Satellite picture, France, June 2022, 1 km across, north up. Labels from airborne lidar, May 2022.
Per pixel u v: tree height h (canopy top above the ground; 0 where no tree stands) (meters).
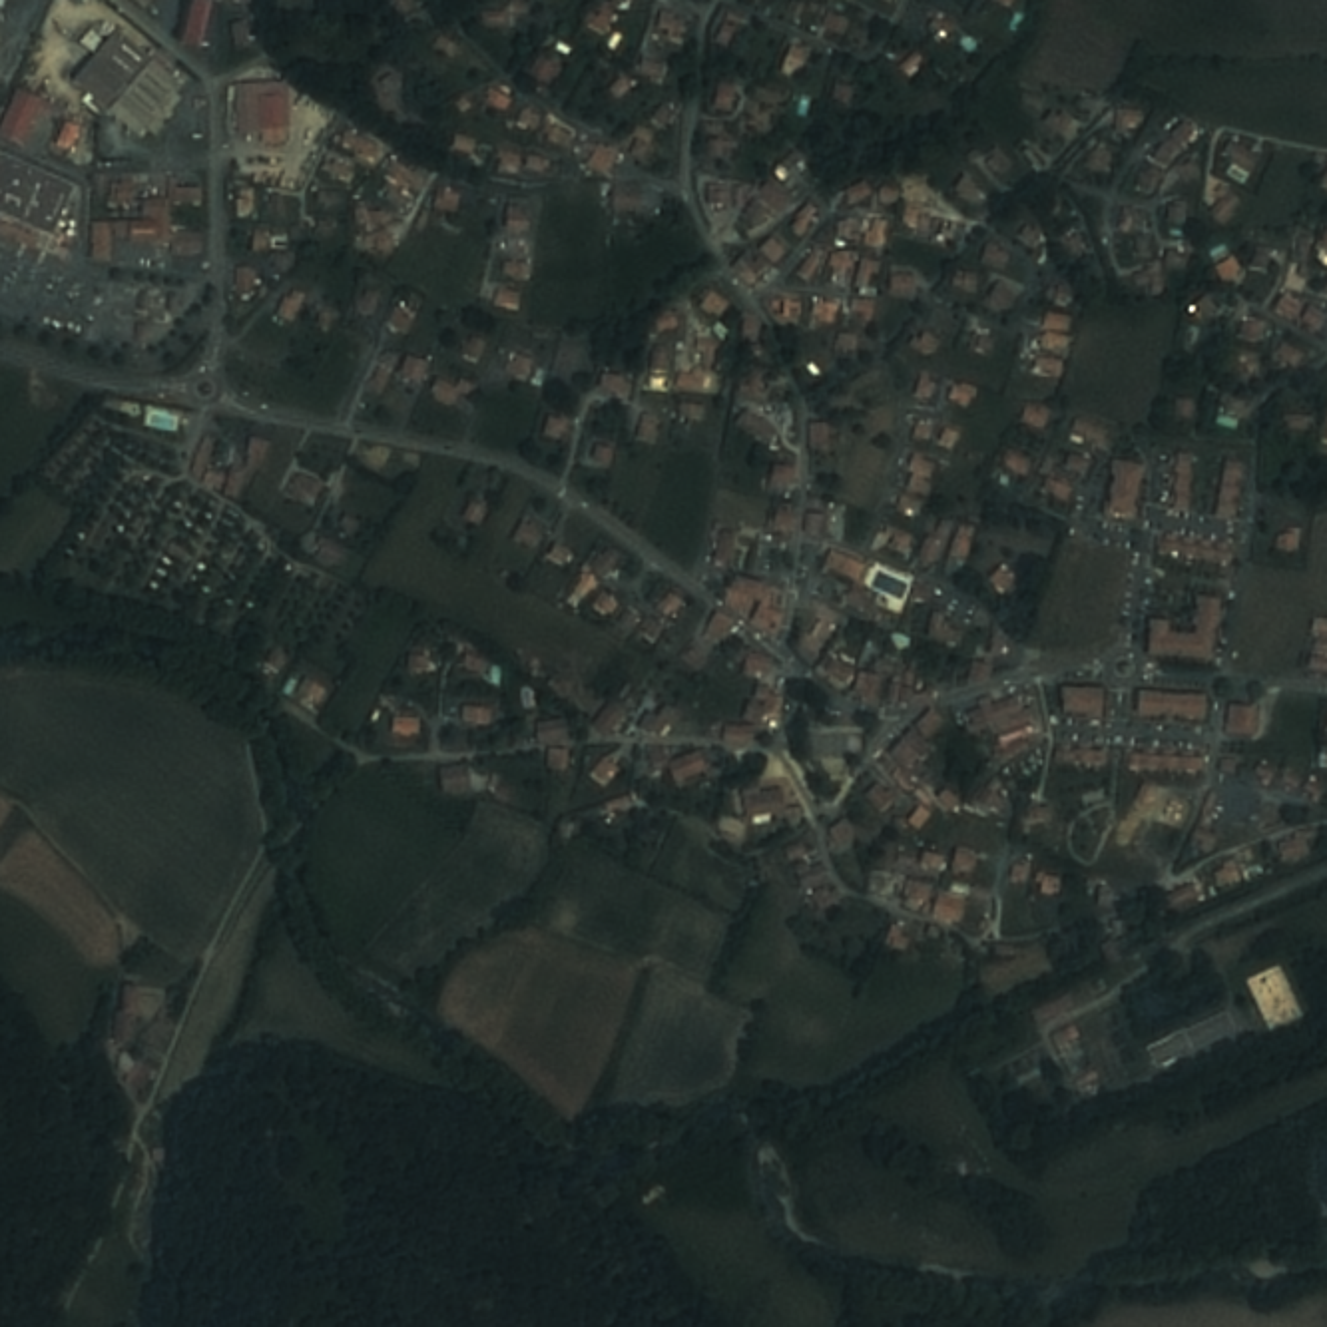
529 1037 0
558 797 0
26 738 0
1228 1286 0
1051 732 0
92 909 0
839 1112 29
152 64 0
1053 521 12
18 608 0
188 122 0
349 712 0
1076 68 0
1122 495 0
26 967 0
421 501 0
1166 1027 12
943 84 6
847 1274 19
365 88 12
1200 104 0
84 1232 19
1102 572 0
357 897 0
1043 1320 25
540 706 11
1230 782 0
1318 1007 10
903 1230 0
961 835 0
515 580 10
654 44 0
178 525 8
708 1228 0
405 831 0
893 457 0
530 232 0
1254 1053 16
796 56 0
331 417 0
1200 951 6
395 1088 15
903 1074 29
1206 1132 0
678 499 0
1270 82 0
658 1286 29
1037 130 0
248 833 0
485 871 0
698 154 8
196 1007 0
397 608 13
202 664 27
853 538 0
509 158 0
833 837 0
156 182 0
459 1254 24
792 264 0
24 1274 20
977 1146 0
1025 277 0
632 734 6
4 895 0
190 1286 24
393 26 15
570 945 0
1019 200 11
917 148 27
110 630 8
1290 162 0
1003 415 0
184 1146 25
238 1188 22
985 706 0
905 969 0
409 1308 18
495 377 0
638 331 12
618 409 18
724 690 0
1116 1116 16
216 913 0
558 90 12
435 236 0
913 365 0
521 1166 15
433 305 0
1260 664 0
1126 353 0
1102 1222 0
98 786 0
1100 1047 0
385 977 0
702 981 0
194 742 0
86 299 0
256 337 0
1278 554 8
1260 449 7
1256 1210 14
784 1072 0
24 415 0
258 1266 23
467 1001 0
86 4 0
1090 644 0
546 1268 28
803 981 0
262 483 0
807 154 11
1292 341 8
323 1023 0
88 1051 23
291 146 0
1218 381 11
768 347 11
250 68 0
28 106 0
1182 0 0
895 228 0
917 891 0
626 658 0
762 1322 0
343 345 0
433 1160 16
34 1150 17
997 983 0
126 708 0
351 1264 15
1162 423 14
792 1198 0
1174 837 7
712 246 0
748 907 8
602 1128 27
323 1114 10
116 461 7
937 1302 21
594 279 0
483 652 8
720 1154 10
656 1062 0
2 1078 15
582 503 0
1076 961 14
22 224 0
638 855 8
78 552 9
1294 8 0
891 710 0
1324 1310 0
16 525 0
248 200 0
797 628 11
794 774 0
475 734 8
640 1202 0
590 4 7
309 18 13
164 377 0
